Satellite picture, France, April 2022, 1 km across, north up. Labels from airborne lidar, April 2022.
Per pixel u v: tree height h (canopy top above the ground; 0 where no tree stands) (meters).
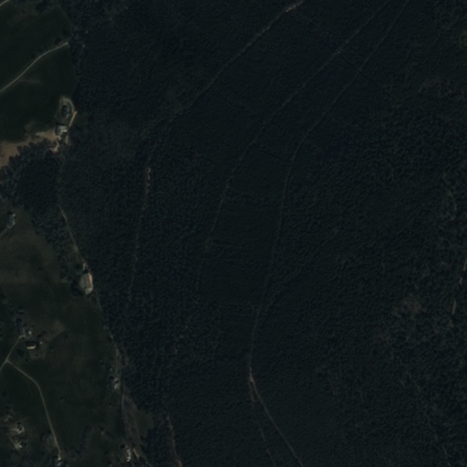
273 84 7
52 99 0
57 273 0
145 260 18
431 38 12
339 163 12
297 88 12
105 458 0
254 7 10
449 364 22
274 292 17
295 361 17
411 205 21
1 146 0
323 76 9
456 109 11
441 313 22
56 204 20
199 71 14
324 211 14
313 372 15
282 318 13
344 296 18
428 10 12
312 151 9
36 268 0
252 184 14
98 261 18
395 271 20
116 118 15
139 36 12
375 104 9
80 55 18
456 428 26
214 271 13
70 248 21
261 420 16
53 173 20
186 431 12
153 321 26
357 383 17
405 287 23
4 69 0
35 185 26
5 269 0
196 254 15
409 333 18
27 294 0
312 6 9
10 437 20
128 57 18
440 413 20
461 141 20
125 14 15
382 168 19
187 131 13
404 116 20
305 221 14
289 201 14
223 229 14
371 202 19
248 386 13
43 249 0
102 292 15
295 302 15
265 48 7
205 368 7
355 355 19
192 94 19
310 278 14
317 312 13
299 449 14
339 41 9
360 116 11
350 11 10
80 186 13
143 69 12
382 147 18
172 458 20
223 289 13
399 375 19
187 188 18
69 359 0
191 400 15
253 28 11
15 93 0
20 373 0
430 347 23
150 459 19
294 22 11
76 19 18
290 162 12
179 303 22
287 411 13
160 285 18
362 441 11
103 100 15
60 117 0
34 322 0
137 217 15
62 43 10
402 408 16
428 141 23
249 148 8
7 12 0
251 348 14
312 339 14
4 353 0
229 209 11
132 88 9
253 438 15
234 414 16
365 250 14
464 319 30
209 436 18
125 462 0
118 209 14
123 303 21
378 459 12
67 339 7
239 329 9
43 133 0
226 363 19
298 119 14
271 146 13
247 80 13
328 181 13
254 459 15
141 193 13
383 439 17
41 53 10
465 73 14
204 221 12
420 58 9
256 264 11
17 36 0
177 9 15
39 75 0
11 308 6
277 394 13
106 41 16
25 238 0
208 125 11
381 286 21
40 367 0
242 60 8
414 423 21
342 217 14
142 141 8
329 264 13
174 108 18
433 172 20
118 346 15
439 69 15
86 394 0
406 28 11
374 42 12
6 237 0
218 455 15
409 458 18
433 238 18
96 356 0
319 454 14
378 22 10
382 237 15
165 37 18
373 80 8
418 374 21
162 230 19
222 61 9
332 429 12
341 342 21
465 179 8
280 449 14
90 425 0
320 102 11
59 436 0
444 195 18
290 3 12
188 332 21
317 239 14
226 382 15
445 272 10
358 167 15
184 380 15
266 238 13
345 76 11
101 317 0
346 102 9
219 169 9
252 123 10
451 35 10
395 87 8
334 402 14
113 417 0
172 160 12
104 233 15
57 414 0
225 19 9
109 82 17
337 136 13
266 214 11
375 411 16
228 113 12
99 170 16
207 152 11
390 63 11
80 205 15
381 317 21
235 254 5
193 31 16
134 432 12
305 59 12
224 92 10
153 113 15
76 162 16
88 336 0
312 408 14
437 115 8
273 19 13
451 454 18
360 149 15
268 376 14
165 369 17
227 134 11
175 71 13
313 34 8
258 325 8
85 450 14
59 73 0
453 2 18
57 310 0
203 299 14
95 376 0
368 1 6
